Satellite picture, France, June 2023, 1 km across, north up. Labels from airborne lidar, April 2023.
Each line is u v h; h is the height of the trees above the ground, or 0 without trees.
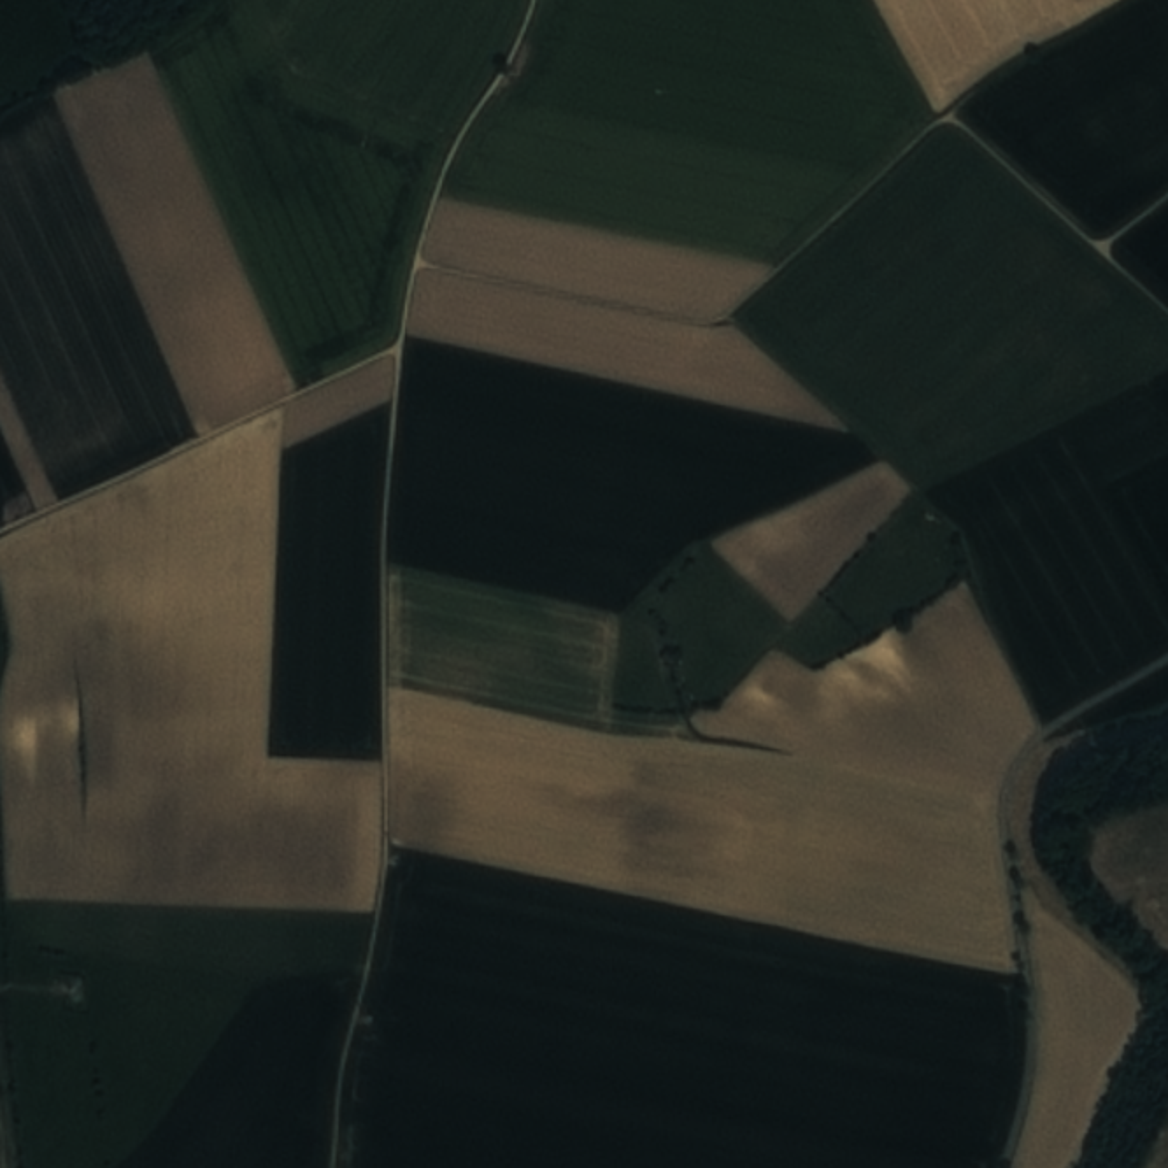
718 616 0
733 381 0
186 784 0
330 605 0
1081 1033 0
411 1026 0
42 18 0
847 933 0
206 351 0
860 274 0
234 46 0
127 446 0
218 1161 0
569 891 0
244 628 0
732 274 0
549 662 0
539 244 0
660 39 0
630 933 0
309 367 0
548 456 0
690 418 0
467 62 0
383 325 0
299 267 0
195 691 0
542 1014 0
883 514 0
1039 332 0
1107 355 0
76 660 0
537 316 0
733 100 0
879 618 0
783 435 0
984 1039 0
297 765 0
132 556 0
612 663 0
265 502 0
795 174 0
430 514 0
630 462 0
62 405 0
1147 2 0
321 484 0
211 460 0
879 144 0
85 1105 0
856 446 0
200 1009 0
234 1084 0
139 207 0
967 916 0
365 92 0
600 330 0
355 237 0
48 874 0
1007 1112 0
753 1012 0
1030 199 0
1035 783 0
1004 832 0
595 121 0
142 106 0
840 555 0
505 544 0
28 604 0
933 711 0
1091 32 0
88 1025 0
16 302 0
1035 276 0
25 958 0
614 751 0
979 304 0
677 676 7
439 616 0
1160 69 0
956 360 0
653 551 0
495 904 0
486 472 0
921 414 0
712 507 0
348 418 0
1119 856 0
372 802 0
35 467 0
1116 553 0
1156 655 0
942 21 0
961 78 0
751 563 0
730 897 0
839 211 0
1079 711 0
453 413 0
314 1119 0
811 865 0
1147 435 0
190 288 0
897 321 0
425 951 0
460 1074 0
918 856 0
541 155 0
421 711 0
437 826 0
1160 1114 19
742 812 0
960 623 0
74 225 0
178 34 0
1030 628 0
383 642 0
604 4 0
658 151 0
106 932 0
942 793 0
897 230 0
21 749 0
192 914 0
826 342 0
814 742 0
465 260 0
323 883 0
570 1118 0
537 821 0
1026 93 0
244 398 0
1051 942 0
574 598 0
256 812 0
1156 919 0
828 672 0
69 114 0
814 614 0
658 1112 0
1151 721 0
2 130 0
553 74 0
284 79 0
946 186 0
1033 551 0
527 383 0
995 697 0
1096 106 0
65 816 0
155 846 0
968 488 0
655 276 0
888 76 0
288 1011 0
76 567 0
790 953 0
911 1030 0
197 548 0
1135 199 0
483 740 0
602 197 0
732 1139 0
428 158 0
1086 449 0
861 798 0
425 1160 0
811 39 0
